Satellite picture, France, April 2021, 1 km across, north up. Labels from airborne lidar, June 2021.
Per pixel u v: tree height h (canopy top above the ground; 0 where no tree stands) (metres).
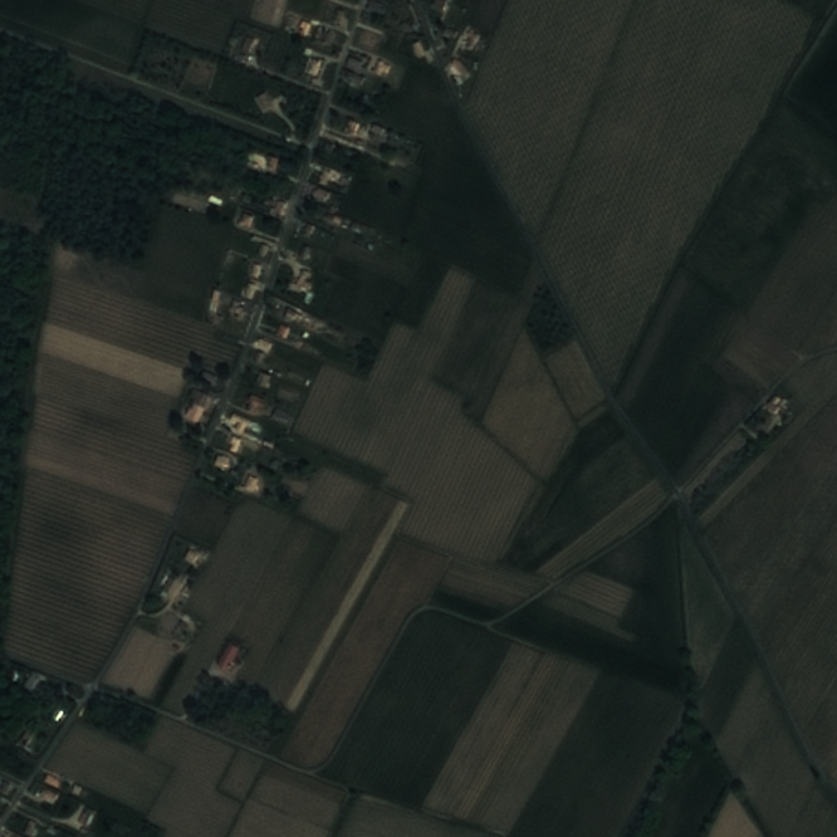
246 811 0
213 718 8
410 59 0
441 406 0
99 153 20
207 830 0
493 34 0
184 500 0
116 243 20
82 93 17
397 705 0
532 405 0
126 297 0
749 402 0
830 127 0
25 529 0
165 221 0
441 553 0
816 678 0
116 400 0
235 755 0
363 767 0
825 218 0
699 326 0
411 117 0
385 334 0
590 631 0
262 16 0
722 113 0
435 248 0
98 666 0
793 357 0
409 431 0
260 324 0
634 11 0
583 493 0
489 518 0
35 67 10
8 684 17
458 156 0
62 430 0
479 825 0
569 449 0
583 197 0
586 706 0
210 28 0
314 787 0
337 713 0
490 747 0
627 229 0
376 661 0
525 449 0
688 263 0
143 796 0
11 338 17
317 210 11
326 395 0
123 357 0
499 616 0
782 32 0
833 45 0
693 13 0
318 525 0
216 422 0
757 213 0
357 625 0
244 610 0
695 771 0
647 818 18
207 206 0
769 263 0
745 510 0
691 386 0
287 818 0
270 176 13
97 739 0
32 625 0
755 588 0
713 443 0
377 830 0
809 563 0
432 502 0
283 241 0
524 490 0
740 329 0
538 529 0
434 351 0
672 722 0
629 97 0
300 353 0
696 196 0
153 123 11
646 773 0
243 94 0
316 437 0
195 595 0
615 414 0
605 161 0
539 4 0
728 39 0
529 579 0
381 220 0
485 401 0
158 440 0
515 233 0
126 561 0
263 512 0
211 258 0
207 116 0
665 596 0
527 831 0
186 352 0
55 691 9
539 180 0
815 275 0
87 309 0
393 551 0
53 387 0
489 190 0
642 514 0
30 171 10
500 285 0
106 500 0
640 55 0
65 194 15
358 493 0
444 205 0
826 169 0
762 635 0
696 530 0
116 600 0
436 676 0
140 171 17
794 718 0
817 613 0
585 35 0
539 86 0
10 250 14
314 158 6
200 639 0
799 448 0
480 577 0
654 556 0
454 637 0
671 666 0
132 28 0
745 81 0
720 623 0
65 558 0
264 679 0
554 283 0
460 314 0
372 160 14
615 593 0
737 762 0
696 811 0
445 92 0
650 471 0
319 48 0
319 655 0
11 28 0
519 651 0
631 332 0
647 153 0
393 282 0
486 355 0
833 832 0
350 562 0
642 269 0
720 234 0
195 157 15
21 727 14
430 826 0
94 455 0
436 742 0
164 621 0
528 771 0
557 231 0
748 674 0
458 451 0
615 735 0
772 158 0
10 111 11
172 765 0
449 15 0
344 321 0
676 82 0
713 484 11
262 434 0
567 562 0
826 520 0
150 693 0
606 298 0
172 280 0
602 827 0
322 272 0
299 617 0
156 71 9
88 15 0
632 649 0
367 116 15
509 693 0
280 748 0
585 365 0
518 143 0
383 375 0
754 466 0
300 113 8
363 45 0
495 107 0
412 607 0
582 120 0
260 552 0
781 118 0
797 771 0
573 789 0
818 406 0
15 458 16
